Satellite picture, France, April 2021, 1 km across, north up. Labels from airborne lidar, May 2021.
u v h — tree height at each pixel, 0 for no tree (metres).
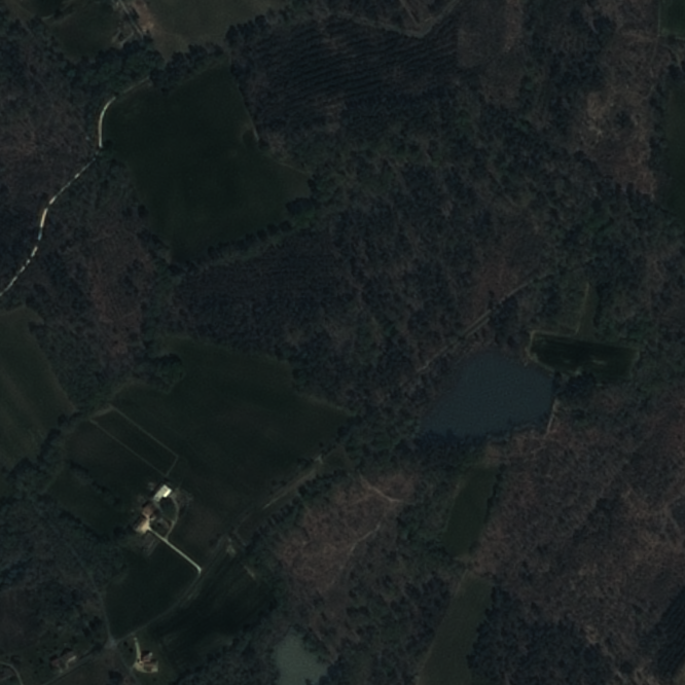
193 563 0
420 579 20
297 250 15
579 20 19
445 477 18
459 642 0
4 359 0
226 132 0
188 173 0
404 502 0
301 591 11
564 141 8
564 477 6
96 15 0
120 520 0
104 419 0
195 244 0
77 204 13
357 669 20
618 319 15
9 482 15
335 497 16
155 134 0
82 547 19
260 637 19
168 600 0
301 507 14
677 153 0
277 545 16
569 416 10
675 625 7
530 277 9
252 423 0
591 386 24
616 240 16
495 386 0
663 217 20
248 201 0
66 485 0
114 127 0
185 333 18
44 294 19
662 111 21
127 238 0
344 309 22
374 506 9
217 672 16
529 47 8
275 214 0
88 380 25
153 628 0
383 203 11
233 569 0
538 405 0
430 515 16
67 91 12
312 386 20
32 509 18
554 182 26
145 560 0
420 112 24
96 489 12
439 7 15
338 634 13
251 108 12
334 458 0
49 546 11
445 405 0
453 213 13
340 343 10
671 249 10
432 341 22
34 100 10
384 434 24
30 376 0
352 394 15
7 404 0
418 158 22
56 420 0
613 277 25
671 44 6
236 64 7
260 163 0
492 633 21
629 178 0
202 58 16
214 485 0
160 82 22
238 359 0
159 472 0
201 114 0
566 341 0
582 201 16
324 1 14
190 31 0
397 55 7
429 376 10
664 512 0
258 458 0
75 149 8
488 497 0
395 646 19
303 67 9
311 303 22
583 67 10
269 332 23
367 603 22
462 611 0
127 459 0
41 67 8
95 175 14
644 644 17
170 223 0
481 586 0
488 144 20
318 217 20
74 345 8
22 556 21
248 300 11
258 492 0
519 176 21
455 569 19
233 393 0
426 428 0
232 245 0
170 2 0
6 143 11
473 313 9
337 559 0
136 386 0
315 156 21
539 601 5
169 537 0
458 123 21
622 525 9
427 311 12
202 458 0
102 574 22
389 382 25
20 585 17
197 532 0
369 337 22
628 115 8
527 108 13
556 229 19
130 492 0
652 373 20
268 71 6
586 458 12
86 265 7
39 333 20
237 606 0
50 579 8
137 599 0
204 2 0
